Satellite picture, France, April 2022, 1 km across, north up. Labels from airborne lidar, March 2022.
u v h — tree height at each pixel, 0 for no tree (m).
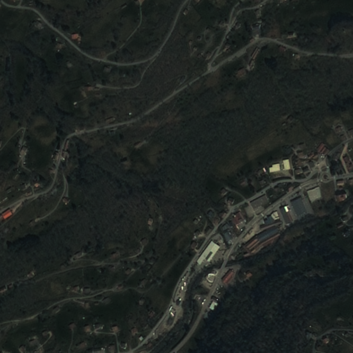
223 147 11
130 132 5
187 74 0
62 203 0
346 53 10
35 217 0
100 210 16
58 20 18
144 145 0
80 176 13
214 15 0
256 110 20
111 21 0
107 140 0
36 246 27
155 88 8
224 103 0
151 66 9
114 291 0
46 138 0
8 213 0
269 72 8
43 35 7
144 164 0
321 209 9
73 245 20
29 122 21
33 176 18
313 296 11
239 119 24
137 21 7
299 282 20
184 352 0
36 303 8
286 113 7
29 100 6
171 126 10
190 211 15
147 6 0
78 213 6
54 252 26
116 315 0
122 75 13
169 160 25
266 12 15
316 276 0
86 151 25
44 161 0
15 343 0
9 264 20
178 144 12
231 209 0
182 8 0
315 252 26
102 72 0
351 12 0
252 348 32
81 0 0
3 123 10
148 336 0
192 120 17
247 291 10
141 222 0
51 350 6
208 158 14
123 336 0
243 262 11
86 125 15
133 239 0
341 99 27
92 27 0
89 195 21
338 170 0
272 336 25
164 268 0
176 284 0
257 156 0
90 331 0
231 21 0
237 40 0
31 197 0
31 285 22
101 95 0
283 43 0
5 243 20
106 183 16
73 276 0
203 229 0
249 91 21
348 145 0
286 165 0
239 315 7
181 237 0
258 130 8
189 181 23
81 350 0
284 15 0
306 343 9
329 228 16
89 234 9
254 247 0
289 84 26
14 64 18
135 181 24
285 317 19
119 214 6
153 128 8
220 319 9
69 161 8
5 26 0
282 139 0
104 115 21
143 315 9
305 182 0
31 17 0
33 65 23
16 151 0
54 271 0
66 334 0
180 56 15
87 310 0
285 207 0
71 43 0
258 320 15
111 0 12
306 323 8
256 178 9
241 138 12
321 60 9
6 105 6
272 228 0
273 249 17
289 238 0
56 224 20
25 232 0
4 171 7
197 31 0
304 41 8
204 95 18
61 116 22
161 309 0
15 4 0
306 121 7
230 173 0
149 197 0
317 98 9
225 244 16
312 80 18
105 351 0
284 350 18
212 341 29
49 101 25
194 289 16
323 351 0
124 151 0
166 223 16
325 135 0
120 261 0
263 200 0
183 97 8
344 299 18
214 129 27
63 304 0
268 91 9
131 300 0
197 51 0
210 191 7
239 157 0
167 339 15
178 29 8
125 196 7
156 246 8
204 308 0
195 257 0
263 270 7
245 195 0
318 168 0
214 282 0
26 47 23
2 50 0
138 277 0
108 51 8
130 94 9
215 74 0
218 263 9
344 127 0
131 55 19
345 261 30
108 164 27
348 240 0
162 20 10
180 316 0
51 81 19
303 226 21
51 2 0
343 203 13
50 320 9
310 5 0
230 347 26
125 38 0
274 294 19
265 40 0
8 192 0
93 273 0
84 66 16
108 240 10
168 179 29
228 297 13
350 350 0
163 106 8
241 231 0
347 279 17
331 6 0
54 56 0
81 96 0
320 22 0
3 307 18
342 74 22
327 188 0
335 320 0
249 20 8
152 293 0
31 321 0
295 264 6
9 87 12
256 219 0
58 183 0
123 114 0
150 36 6
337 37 12
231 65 0
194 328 0
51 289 0
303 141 0
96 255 12
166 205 0
